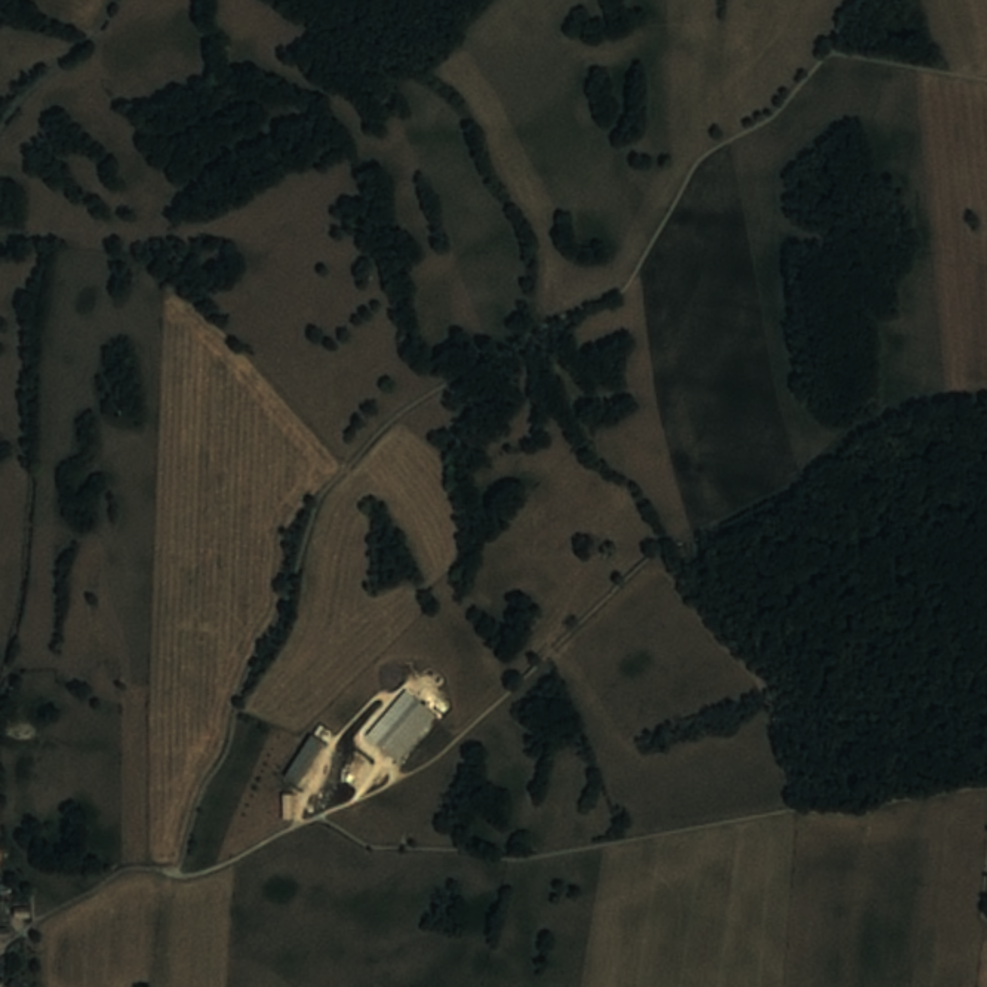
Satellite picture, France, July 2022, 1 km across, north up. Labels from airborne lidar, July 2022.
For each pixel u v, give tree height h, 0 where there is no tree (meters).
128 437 0
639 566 0
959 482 22
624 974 0
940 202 0
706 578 19
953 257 0
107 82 0
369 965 0
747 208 0
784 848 0
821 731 19
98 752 0
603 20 10
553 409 23
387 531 13
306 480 0
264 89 23
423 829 0
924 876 0
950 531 23
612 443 0
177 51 0
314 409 0
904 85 0
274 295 0
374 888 0
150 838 0
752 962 0
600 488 0
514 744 0
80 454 7
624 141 13
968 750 23
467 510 17
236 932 0
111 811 0
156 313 0
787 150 0
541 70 0
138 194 0
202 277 22
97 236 0
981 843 0
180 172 24
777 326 0
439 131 0
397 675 0
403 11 15
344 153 17
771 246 0
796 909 0
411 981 0
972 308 0
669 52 0
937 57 16
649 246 0
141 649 0
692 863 0
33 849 15
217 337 0
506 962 0
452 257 0
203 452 0
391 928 0
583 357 19
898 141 0
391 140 0
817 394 20
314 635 0
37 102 0
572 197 0
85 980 0
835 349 22
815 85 0
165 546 0
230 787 0
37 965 11
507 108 0
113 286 14
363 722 0
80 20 0
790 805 17
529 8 0
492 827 14
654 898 0
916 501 21
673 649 0
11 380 0
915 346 0
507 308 0
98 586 0
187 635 0
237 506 0
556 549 0
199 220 19
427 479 0
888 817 0
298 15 17
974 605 20
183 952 0
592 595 0
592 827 0
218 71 22
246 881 0
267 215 0
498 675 0
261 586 0
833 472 20
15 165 0
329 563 0
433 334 0
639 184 0
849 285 23
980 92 0
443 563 0
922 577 23
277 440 0
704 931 0
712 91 0
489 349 19
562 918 0
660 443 0
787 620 21
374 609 0
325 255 0
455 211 0
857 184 22
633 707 0
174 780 0
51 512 0
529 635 12
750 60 0
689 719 6
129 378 15
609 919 0
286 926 0
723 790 0
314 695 0
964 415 22
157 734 0
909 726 20
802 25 0
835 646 23
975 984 0
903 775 20
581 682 0
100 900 0
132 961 0
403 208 0
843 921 0
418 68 15
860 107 0
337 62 17
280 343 0
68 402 0
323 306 0
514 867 0
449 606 0
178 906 0
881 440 19
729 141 0
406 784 0
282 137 18
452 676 0
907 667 20
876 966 0
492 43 0
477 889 0
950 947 0
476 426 19
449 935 10
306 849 0
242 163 21
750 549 21
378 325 0
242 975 0
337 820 0
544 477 0
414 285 18
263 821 0
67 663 0
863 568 25
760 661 15
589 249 9
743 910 0
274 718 0
